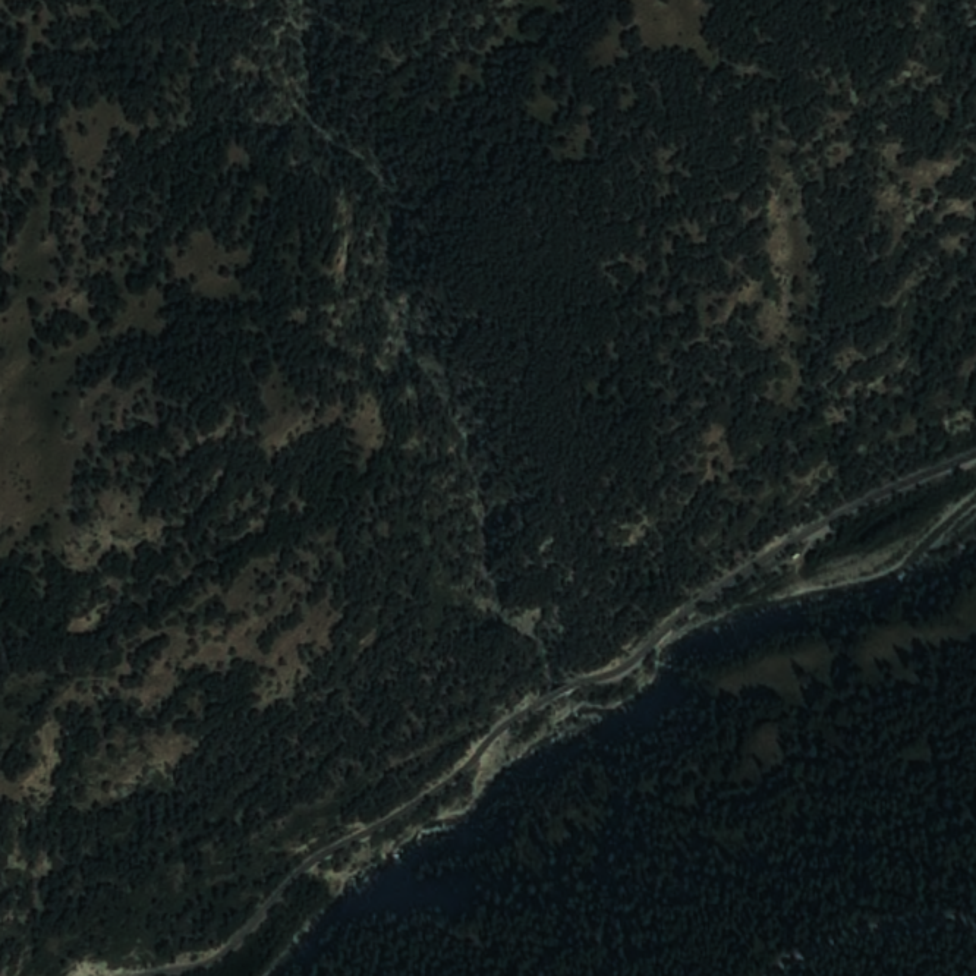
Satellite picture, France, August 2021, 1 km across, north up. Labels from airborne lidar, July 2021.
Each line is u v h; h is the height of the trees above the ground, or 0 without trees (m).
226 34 17
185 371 23
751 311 16
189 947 13
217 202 18
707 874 23
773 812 22
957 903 11
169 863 14
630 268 17
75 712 14
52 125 14
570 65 15
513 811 11
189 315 17
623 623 17
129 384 10
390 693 19
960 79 13
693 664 13
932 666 24
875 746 9
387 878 0
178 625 0
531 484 11
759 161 11
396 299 11
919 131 10
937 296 15
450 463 15
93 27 6
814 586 0
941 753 18
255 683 10
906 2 11
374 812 9
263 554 13
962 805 21
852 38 12
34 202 14
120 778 0
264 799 22
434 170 13
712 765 14
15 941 12
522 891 8
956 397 8
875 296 16
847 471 19
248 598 0
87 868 17
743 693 0
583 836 8
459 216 16
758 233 17
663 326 10
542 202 20
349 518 17
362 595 15
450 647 14
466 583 8
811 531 0
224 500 17
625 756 27
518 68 15
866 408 11
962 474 15
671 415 8
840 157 0
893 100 9
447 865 15
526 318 16
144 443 23
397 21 13
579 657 16
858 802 23
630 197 11
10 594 18
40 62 19
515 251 13
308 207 12
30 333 0
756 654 24
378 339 10
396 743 17
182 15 14
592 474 19
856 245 18
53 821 20
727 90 15
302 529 20
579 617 13
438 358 17
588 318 17
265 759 10
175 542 16
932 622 24
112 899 14
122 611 16
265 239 13
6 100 12
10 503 0
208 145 16
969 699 14
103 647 18
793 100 10
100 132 0
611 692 14
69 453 0
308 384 14
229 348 16
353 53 21
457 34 12
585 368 17
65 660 12
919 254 18
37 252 0
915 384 13
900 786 18
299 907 15
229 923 15
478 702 9
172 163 18
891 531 16
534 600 15
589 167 18
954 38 9
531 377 21
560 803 16
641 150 16
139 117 12
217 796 16
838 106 13
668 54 10
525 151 16
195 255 0
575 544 12
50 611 16
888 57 12
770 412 18
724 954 24
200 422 8
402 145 18
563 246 14
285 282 17
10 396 0
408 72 13
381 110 18
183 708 17
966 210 0
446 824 0
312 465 11
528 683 13
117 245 18
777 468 13
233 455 15
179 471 10
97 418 6
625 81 13
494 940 12
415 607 15
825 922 26
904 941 23
